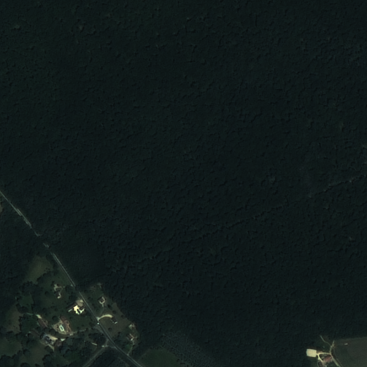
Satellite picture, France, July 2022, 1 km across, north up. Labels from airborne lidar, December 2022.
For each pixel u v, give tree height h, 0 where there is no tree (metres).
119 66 24
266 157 22
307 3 21
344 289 22
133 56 24
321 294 20
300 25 15
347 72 18
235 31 19
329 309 21
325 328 15
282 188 22
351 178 18
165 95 24
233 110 22
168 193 21
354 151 22
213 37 23
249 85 22
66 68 16
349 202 20
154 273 20
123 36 20
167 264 18
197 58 20
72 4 22
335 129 21
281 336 21
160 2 16
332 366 0
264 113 24
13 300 16
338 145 19
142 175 23
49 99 24
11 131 24
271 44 23
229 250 25
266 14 22
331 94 21
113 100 26
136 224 24
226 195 16
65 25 19
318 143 25
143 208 22
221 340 21
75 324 0
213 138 22
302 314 19
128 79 24
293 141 21
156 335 22
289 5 23
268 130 24
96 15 21
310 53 28
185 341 14
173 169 21
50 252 16
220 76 20
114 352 13
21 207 23
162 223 20
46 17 18
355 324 22
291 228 23
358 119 23
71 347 13
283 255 22
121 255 22
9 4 22
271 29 19
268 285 26
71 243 10
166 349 15
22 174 25
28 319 13
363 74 21
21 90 25
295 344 17
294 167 21
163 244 19
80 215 22
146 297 21
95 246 19
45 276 13
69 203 22
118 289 23
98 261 9
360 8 23
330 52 17
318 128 19
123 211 21
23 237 20
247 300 20
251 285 23
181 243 24
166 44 25
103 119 27
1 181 22
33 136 24
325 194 16
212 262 26
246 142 26
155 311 24
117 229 22
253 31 6
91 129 24
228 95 21
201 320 19
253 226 24
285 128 22
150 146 22
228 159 22
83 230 20
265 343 22
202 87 20
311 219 22
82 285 10
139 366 0
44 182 22
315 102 24
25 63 23
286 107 21
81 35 18
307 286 23
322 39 24
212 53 23
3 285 18
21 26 24
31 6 23
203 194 15
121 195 21
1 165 24
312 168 19
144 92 25
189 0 21
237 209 23
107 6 20
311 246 24
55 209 23
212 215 24
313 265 25
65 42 16
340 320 21
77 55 17
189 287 25
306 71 16
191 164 19
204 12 21
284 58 24
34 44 24
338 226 23
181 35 24
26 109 24
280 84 26
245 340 22
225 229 25
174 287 22
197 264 22
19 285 18
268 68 17
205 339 20
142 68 26
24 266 24
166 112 22
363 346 0
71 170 26
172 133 21
